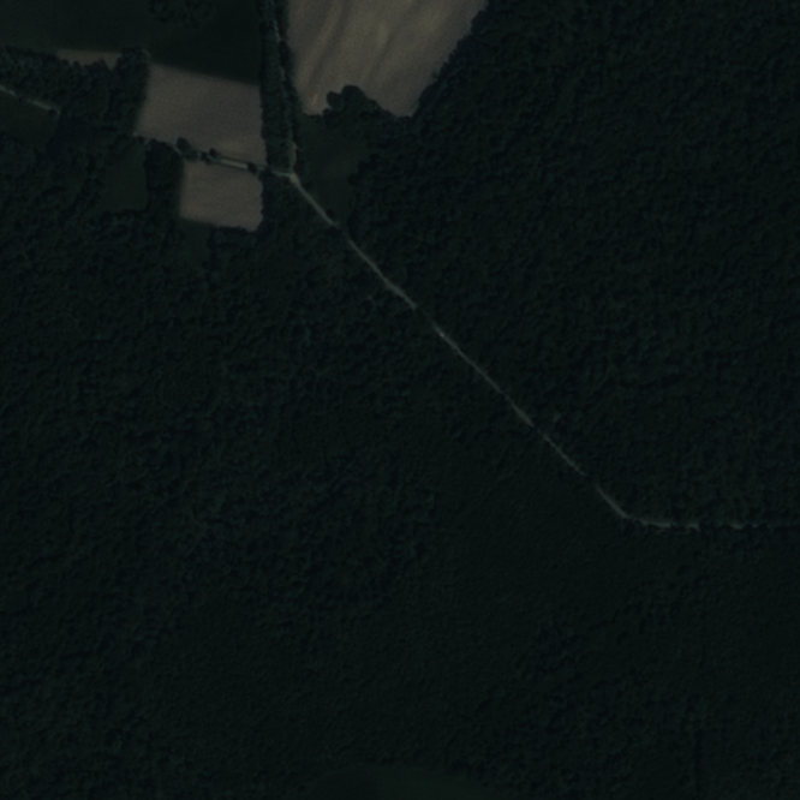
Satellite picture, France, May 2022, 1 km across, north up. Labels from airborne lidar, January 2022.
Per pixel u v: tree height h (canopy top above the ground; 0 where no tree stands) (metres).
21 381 24
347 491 24
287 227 24
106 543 21
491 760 20
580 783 23
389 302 25
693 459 25
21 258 20
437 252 27
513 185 28
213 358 20
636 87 25
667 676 0
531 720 19
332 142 0
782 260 16
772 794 13
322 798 0
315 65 0
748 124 26
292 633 24
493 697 17
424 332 18
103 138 25
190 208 0
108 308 22
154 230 21
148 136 0
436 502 21
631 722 26
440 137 24
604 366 27
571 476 19
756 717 21
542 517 13
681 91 22
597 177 18
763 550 19
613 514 15
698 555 21
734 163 23
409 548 22
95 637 19
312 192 17
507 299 25
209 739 20
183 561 22
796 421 28
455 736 21
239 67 0
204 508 19
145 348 26
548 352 25
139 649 29
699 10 23
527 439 14
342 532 18
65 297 20
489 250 22
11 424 23
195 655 12
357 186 18
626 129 22
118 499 23
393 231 18
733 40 22
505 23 27
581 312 22
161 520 22
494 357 22
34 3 0
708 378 11
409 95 0
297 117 16
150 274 22
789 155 21
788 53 20
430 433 15
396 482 25
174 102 0
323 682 19
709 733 22
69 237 21
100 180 21
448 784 0
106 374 20
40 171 24
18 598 0
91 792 23
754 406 21
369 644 18
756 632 18
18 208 20
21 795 24
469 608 19
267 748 21
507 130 8
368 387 24
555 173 24
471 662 20
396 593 20
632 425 21
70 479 26
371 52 0
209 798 23
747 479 25
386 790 0
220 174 0
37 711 22
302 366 17
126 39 0
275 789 19
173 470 22
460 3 0
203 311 24
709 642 21
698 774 21
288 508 26
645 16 17
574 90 6
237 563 22
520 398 20
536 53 25
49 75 25
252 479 21
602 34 27
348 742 13
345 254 24
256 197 0
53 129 0
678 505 22
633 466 20
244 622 19
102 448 27
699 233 26
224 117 0
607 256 25
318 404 18
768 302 17
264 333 24
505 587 17
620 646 11
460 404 16
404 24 0
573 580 18
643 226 23
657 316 20
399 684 20
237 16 0
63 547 15
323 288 22
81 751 23
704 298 24
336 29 0
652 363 24
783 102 30
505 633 18
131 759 21
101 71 21
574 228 22
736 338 22
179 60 0
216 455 20
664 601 20
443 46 0
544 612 20
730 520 19
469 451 21
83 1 0
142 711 21
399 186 23
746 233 19
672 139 24
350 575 22
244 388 21
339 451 9
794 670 15
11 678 20
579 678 21
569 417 23
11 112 0
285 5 15
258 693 16
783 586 20
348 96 19
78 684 24
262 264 24
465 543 17
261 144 0
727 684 21
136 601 22
